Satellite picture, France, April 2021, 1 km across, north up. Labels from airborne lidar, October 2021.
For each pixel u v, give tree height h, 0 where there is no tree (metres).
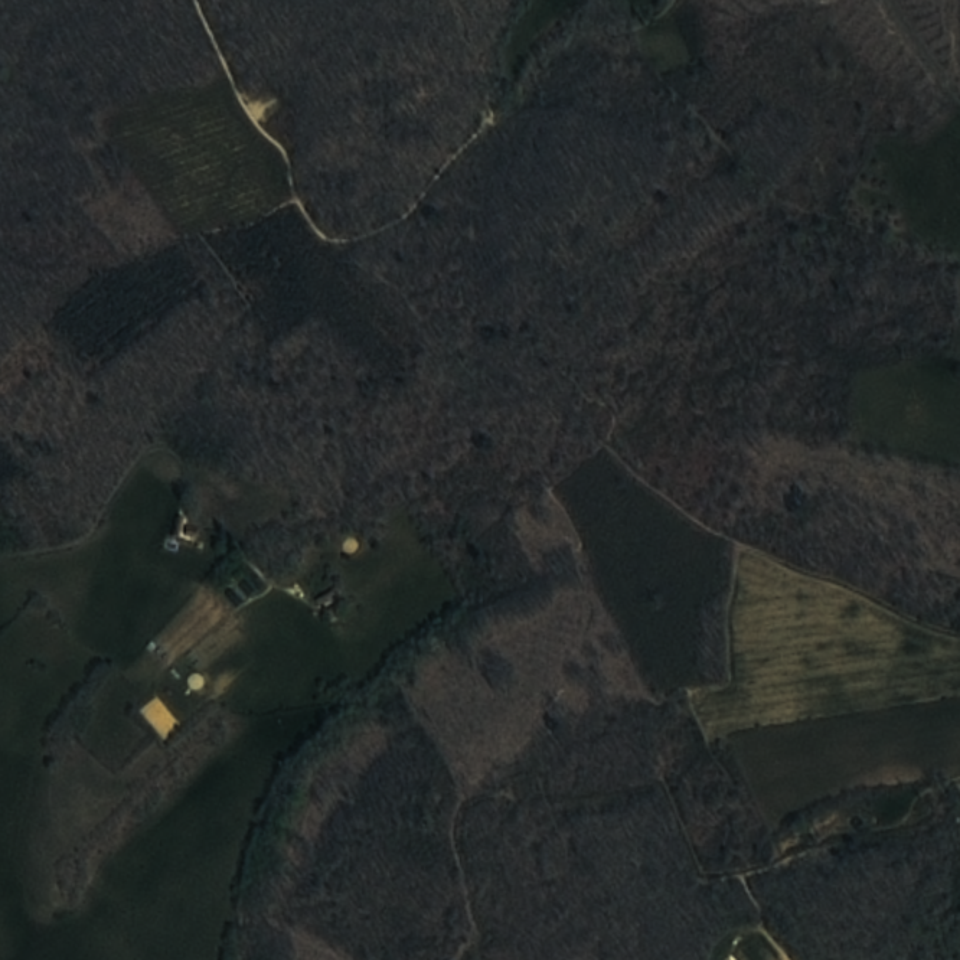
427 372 13
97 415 19
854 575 12
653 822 20
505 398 11
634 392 5
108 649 0
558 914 12
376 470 18
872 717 0
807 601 0
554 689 0
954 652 0
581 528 6
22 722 0
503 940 9
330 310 6
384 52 22
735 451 9
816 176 0
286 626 0
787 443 21
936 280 16
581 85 13
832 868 25
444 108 20
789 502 15
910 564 13
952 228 0
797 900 21
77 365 9
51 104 15
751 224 9
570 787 8
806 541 10
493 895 10
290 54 15
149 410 17
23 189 12
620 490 16
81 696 16
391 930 9
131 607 0
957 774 0
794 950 19
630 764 11
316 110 19
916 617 14
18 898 0
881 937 19
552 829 12
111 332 9
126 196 0
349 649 0
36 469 18
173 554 0
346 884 11
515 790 7
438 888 13
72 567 0
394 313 9
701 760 6
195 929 0
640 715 11
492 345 15
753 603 0
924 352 9
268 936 13
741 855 8
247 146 0
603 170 16
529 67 19
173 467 0
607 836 19
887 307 20
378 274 18
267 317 9
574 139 19
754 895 20
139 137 0
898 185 0
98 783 0
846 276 23
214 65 14
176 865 0
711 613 10
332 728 24
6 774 0
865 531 13
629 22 18
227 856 0
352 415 8
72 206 12
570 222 14
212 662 0
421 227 19
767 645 0
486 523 11
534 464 14
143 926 0
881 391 0
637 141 19
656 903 21
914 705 0
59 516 19
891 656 0
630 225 6
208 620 0
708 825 8
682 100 7
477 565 25
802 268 27
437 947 8
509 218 17
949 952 21
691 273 7
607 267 10
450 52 18
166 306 8
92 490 15
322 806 23
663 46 0
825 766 0
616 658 18
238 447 18
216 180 0
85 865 12
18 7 17
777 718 0
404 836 6
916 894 13
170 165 0
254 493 0
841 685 0
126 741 0
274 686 0
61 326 8
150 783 11
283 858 16
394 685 21
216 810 0
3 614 0
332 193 21
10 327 13
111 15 15
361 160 15
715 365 15
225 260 9
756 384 14
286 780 15
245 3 14
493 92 21
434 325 13
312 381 11
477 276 15
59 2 17
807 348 9
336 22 18
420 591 0
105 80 15
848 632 0
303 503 14
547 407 13
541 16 0
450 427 11
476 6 16
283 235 9
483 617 19
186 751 10
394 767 13
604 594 8
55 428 16
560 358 11
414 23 23
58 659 0
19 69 12
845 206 7
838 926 22
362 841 10
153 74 15
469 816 11
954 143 0
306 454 17
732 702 0
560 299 12
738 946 0
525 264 16
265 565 24
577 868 11
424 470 9
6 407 16
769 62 7
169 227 0
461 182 11
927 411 0
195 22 14
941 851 20
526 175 15
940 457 0
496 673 26
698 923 22
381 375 8
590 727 8
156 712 0
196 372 17
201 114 0
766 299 12
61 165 15
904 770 0
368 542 19
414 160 21
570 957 12
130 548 0
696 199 19
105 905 0
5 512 18
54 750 11
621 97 7
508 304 14
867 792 12
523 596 16
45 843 0
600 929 14
